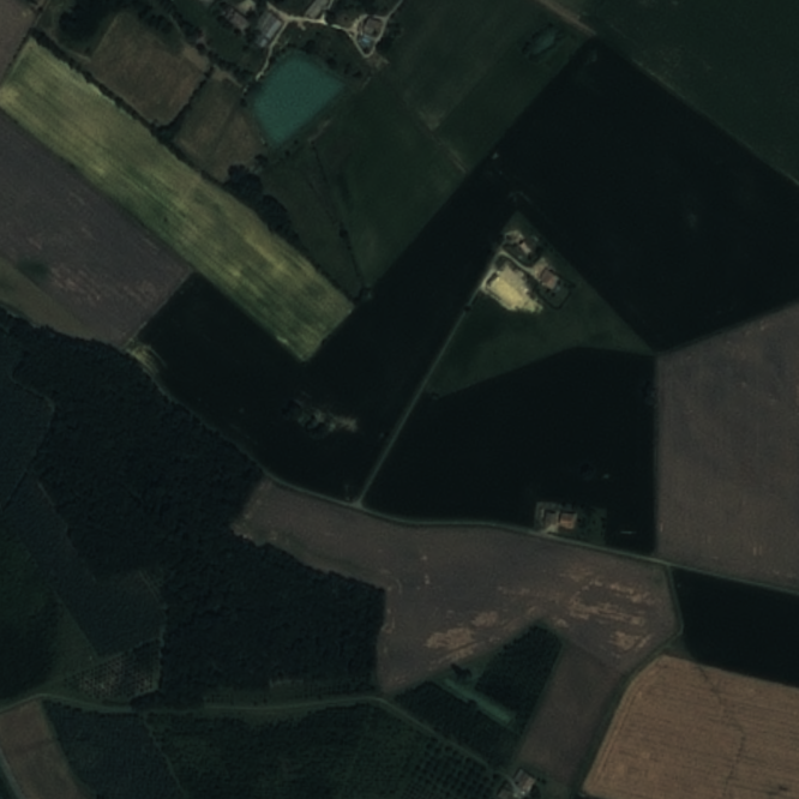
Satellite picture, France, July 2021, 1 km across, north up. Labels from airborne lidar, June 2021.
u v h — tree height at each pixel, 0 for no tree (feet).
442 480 0
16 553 30
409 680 0
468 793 33
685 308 0
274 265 0
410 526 0
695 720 0
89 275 0
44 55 0
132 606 33
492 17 0
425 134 0
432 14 0
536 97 0
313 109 0
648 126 0
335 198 0
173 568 68
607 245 0
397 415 0
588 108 0
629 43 0
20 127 0
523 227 0
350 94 0
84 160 0
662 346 0
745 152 0
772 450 0
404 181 0
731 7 0
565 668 0
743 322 0
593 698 0
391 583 0
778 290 0
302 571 42
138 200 0
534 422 0
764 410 0
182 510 91
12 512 42
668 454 0
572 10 0
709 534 0
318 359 0
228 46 0
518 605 0
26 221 0
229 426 0
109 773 40
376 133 0
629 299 0
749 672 0
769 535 0
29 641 25
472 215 0
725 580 0
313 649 71
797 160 0
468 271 0
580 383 0
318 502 0
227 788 27
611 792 0
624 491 0
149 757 39
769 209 0
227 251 0
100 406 73
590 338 0
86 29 52
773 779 0
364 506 0
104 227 0
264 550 28
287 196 0
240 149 0
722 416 0
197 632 89
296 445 0
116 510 67
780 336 0
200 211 0
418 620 0
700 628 0
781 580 0
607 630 0
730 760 0
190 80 0
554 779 0
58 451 66
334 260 0
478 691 29
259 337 0
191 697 62
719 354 0
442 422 0
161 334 0
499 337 0
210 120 0
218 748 28
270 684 52
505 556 0
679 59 0
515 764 0
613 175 0
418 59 0
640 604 0
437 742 35
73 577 43
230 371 0
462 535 0
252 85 28
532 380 0
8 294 0
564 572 0
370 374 0
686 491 0
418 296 0
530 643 34
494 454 0
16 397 38
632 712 0
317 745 28
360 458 0
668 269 0
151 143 0
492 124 0
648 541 0
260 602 60
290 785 20
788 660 0
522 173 0
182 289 0
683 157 0
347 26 0
